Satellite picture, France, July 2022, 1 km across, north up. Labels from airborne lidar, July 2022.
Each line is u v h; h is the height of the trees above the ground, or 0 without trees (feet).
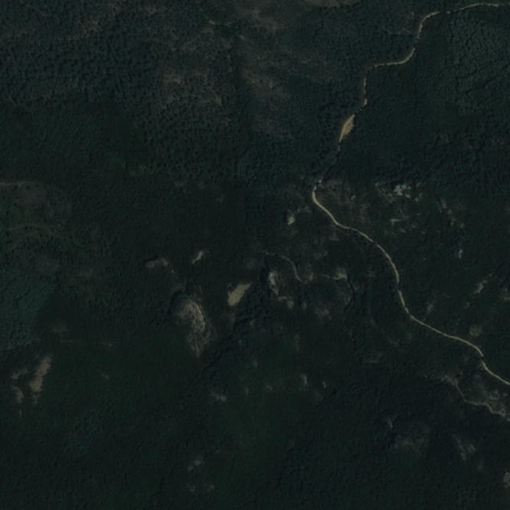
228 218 45
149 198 50
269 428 37
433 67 38
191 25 65
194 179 35
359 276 24
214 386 39
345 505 41
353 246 29
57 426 52
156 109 77
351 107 84
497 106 30
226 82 77
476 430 45
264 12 20
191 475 26
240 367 40
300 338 25
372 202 25
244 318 45
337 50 48
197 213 46
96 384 31
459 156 44
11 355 31
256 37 29
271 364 33
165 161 19
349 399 41
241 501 45
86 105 32
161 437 35
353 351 39
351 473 40
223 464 36
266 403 18
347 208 24
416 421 41
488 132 29
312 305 24
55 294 27
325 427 40
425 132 48
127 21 60
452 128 28
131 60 31
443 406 24
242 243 41
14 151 22
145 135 30
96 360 35
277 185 22
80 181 19
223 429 35
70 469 60
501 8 39
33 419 39
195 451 45
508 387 37
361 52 60
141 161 31
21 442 30
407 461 32
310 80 39
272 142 32
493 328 20
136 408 47
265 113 34
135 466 54
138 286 38
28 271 20
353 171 30
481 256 27
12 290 34
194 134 86
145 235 36
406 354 23
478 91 35
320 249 25
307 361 37
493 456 41
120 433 81
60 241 19
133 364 44
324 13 53
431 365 26
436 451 45
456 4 61
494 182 68
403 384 41
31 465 55
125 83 74
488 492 52
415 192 34
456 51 52
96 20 36
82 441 71
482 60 38
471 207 31
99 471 48
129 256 45
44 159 25
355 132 32
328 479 35
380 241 29
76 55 81
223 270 45
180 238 38
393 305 28
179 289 22
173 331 33
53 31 71
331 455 56
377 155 22
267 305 35
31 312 31
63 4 76
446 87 42
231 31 27
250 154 40
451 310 44
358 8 48
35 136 30
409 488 53
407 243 19
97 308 45
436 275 23
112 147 30
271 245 35
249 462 26
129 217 56
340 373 43
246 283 24
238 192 63
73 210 29
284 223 20
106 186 32
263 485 62
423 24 24
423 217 28
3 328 47
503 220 21
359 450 56
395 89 38
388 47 76
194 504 37
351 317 28
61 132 50
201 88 56
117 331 50
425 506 51
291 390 25
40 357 21
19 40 71
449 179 20
